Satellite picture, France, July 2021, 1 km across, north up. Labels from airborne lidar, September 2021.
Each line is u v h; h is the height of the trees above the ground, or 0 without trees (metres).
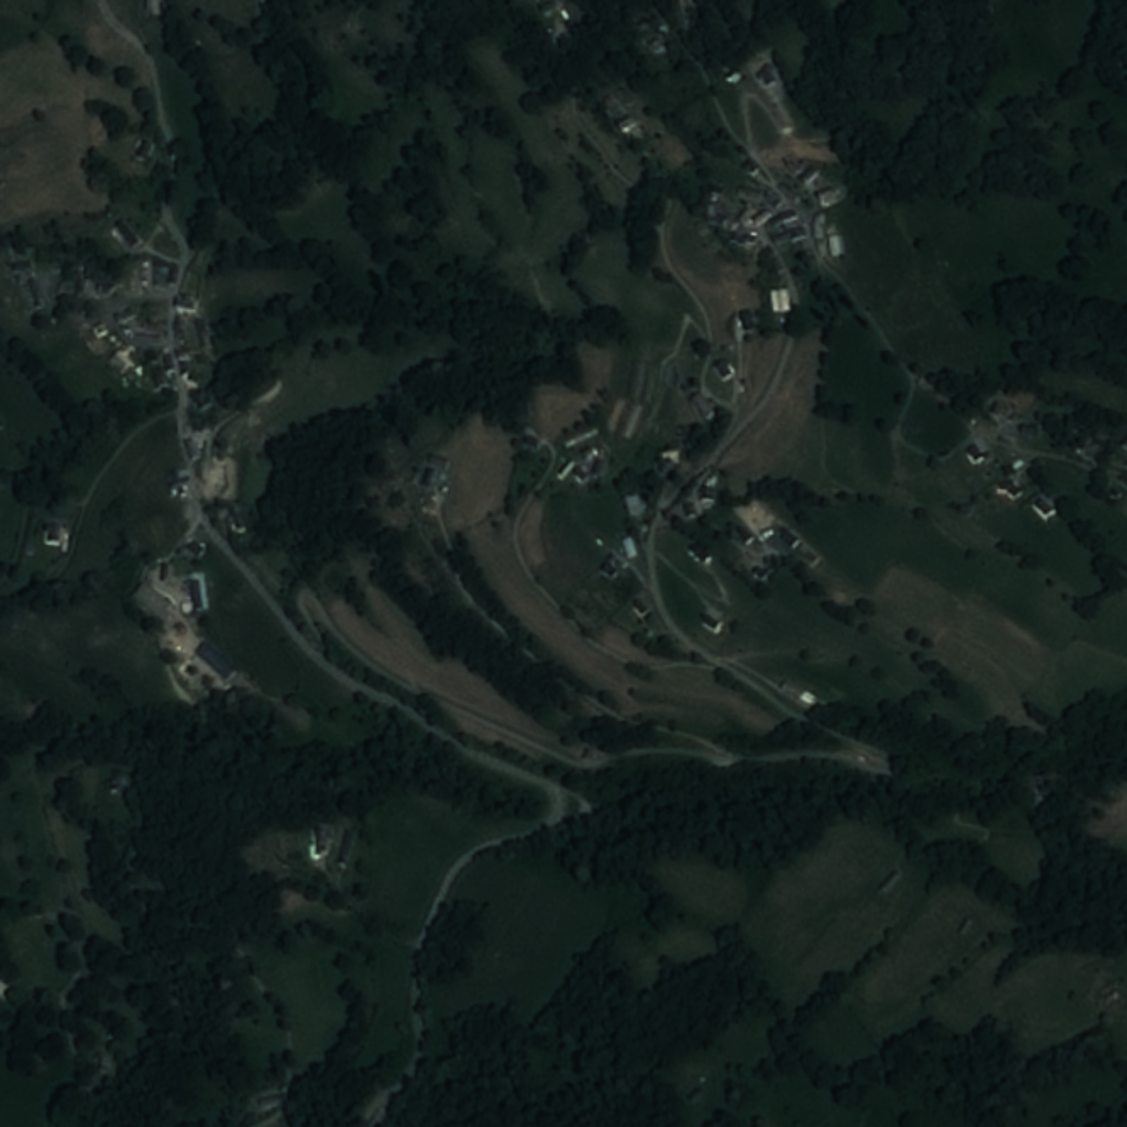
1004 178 19
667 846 22
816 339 0
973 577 0
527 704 13
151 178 7
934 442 0
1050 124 8
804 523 15
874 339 0
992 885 20
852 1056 0
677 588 0
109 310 0
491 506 0
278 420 0
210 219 23
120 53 0
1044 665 0
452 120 0
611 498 0
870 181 6
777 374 0
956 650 0
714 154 15
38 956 0
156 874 18
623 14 11
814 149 0
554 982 0
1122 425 18
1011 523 0
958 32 22
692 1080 0
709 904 0
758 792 8
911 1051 25
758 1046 0
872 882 0
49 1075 0
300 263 9
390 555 17
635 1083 17
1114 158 0
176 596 0
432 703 16
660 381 0
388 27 0
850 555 0
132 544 23
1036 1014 0
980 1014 0
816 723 15
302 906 0
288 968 0
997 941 13
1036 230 0
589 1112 14
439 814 0
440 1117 17
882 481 0
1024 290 24
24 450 12
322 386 0
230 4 0
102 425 25
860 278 0
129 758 15
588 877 23
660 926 20
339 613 0
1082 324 14
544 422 0
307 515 10
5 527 0
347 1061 16
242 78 0
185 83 0
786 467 0
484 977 0
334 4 11
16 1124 0
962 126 20
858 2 22
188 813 17
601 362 0
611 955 9
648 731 17
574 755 0
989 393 15
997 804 20
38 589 19
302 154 10
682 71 18
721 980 19
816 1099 0
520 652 15
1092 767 19
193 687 0
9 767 13
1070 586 0
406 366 0
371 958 8
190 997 12
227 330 21
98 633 0
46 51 0
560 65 18
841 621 16
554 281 0
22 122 0
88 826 10
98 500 0
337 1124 14
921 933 0
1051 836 11
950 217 0
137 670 0
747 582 8
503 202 0
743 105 0
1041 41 0
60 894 0
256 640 0
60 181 0
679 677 0
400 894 0
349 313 28
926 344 0
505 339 22
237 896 19
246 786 16
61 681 0
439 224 13
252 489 0
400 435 6
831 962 0
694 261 0
